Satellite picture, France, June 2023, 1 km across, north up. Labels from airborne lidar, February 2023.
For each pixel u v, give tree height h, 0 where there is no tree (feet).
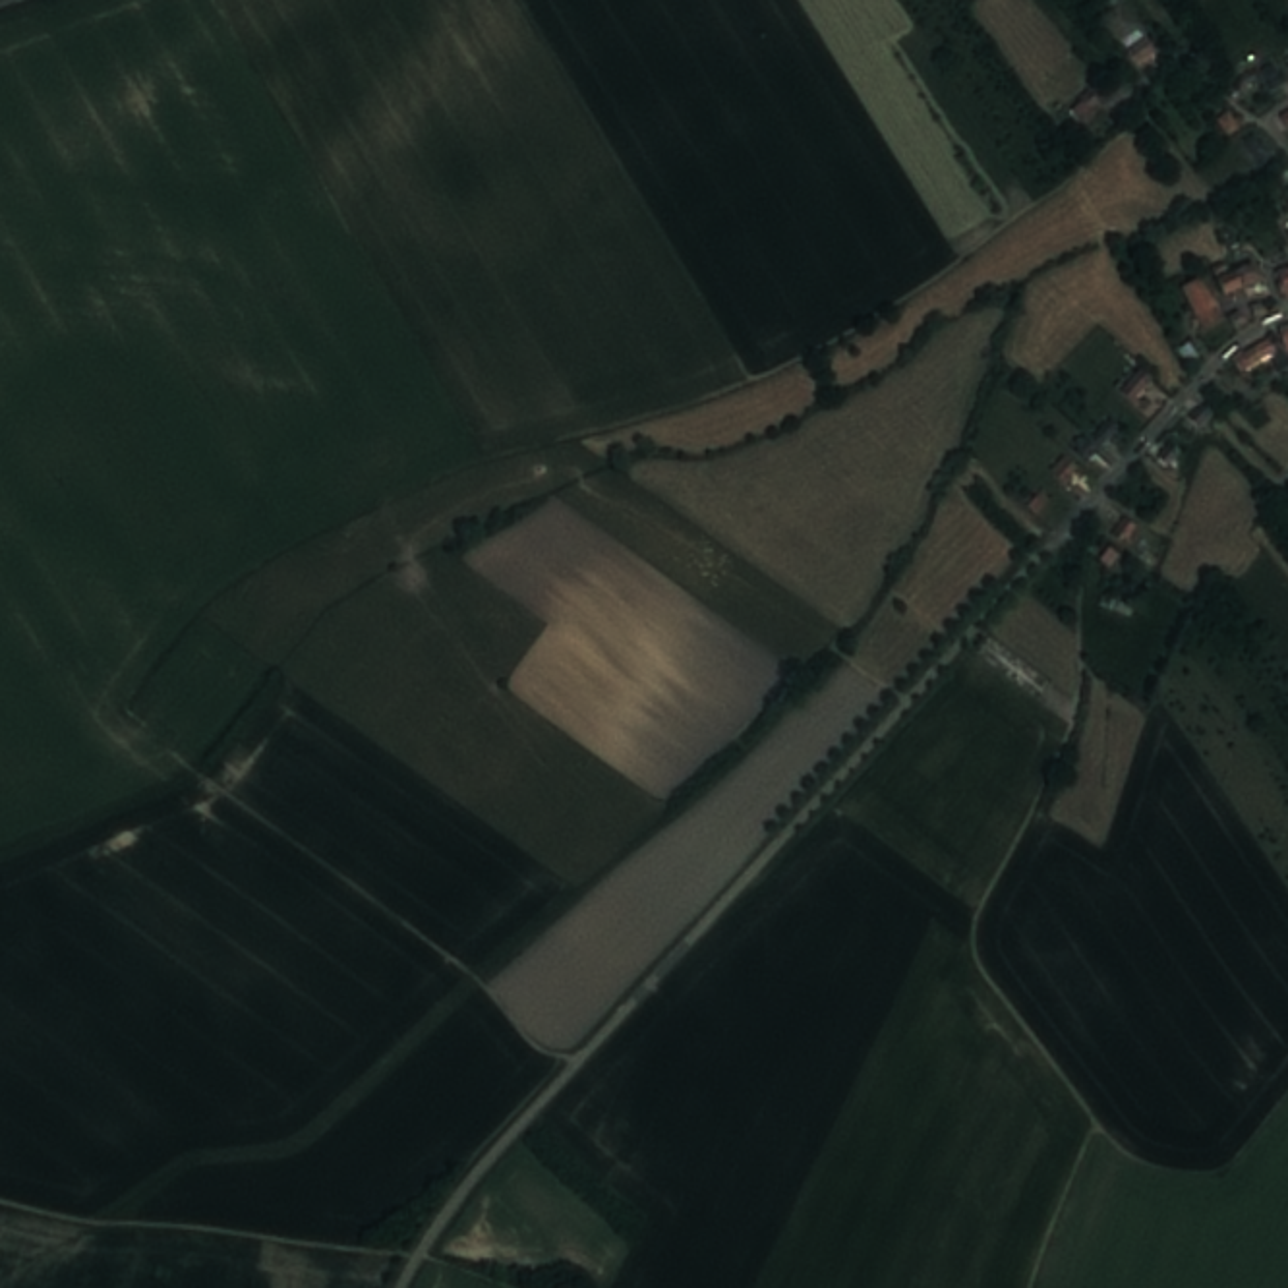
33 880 0
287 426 0
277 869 0
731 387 0
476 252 0
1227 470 0
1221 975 0
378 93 0
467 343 0
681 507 0
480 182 0
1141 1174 0
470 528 61
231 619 0
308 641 0
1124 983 0
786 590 0
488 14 0
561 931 0
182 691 0
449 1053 0
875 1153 0
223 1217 0
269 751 0
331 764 0
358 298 0
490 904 0
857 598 0
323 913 0
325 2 0
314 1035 0
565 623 0
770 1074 0
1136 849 0
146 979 0
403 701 0
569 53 0
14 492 0
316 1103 0
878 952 0
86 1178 0
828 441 0
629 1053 0
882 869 0
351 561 0
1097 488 0
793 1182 0
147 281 0
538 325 0
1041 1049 0
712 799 0
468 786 0
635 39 0
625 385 0
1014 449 0
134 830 0
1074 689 0
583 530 0
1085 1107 0
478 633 0
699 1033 0
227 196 0
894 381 0
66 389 0
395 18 0
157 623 0
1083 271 0
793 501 0
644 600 0
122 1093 0
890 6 0
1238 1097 0
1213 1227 0
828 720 0
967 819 0
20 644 0
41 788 0
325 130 0
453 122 0
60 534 0
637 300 0
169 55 0
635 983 0
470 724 0
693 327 0
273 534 0
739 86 0
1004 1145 0
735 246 0
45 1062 0
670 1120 0
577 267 0
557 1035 0
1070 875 0
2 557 0
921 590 0
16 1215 0
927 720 0
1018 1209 0
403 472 0
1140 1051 0
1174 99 29
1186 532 0
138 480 0
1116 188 0
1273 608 0
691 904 0
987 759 0
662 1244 0
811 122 0
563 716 0
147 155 0
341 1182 0
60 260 0
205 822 0
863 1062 0
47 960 0
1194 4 70
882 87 0
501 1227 0
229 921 0
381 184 0
